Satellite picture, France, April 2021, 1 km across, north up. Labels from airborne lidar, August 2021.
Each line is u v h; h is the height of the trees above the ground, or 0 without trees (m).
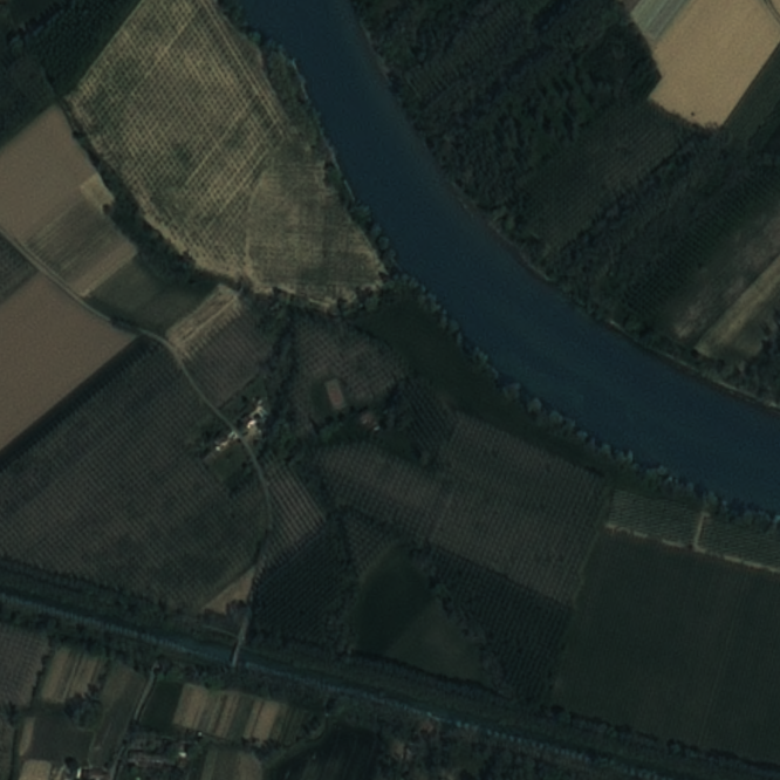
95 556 23
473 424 31
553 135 33
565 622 25
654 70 10
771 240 0
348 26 0
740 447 0
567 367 0
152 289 0
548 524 26
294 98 29
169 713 0
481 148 32
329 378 0
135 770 10
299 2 0
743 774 24
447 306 0
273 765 29
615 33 8
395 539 17
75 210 0
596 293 21
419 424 25
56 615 26
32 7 0
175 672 18
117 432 26
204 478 27
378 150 0
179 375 27
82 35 25
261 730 0
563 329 0
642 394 0
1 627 28
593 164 23
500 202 29
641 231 23
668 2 0
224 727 0
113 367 0
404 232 0
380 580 0
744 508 12
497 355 0
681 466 0
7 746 18
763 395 20
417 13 26
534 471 30
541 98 28
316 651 26
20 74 0
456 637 0
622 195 24
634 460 11
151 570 27
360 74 0
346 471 27
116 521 27
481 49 31
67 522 24
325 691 15
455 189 0
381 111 0
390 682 28
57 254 0
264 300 16
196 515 27
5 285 21
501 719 27
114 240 0
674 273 15
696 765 23
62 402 0
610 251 24
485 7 22
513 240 22
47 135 0
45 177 0
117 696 0
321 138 26
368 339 23
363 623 0
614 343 0
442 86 31
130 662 26
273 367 19
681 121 21
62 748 0
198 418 25
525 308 0
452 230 0
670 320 0
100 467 27
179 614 8
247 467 13
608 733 20
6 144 0
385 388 25
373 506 23
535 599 25
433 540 25
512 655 22
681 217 15
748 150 10
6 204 0
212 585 28
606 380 0
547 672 22
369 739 0
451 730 15
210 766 0
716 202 16
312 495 20
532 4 25
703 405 0
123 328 18
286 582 20
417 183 0
